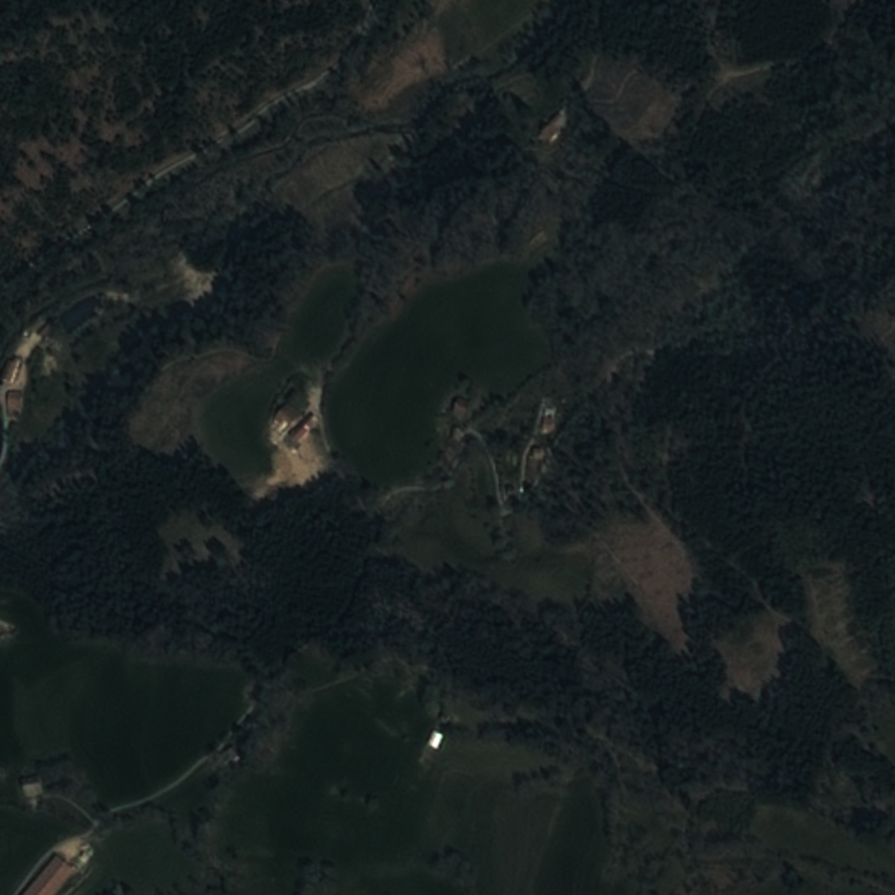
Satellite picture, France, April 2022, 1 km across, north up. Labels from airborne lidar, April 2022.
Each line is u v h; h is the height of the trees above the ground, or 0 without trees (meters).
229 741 11
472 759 0
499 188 21
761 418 20
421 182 15
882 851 0
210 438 0
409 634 28
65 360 0
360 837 0
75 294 17
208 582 26
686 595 0
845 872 7
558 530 25
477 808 0
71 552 15
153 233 24
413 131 0
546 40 26
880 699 19
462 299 0
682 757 26
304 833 0
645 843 18
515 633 12
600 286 20
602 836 0
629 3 12
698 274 16
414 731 0
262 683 13
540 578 0
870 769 30
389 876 0
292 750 0
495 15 0
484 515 0
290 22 11
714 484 14
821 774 27
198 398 0
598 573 0
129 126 7
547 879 0
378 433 0
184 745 0
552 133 0
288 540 26
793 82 9
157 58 13
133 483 31
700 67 13
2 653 0
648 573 0
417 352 0
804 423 18
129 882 0
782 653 0
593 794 0
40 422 0
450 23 0
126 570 33
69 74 8
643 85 0
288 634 16
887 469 21
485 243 25
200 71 16
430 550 0
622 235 27
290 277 28
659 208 8
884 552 16
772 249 10
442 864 18
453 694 24
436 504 19
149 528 29
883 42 22
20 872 0
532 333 0
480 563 0
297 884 0
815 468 20
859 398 20
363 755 0
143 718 0
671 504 6
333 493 24
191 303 0
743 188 8
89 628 30
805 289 13
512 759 0
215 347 8
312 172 0
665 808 25
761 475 15
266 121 7
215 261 18
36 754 0
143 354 24
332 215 0
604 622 29
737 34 11
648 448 16
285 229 19
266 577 24
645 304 21
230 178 27
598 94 0
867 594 19
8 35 9
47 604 18
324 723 0
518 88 0
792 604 18
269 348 24
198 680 0
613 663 20
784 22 13
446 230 20
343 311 0
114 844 0
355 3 11
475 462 17
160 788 0
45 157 15
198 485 30
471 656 24
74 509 26
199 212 25
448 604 17
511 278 0
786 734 22
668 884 0
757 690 0
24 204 6
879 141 9
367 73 32
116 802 0
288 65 8
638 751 23
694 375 9
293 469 0
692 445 7
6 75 10
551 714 25
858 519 13
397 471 0
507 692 26
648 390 9
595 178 18
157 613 27
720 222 15
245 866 25
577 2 30
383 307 20
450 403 0
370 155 0
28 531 16
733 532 14
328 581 24
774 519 23
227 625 28
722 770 27
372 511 10
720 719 29
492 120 31
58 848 0
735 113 6
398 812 0
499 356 0
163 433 0
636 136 0
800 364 23
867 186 10
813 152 7
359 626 29
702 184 20
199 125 8
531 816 0
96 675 0
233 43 14
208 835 25
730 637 25
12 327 20
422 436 0
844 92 18
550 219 18
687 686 25
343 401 0
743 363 9
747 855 24
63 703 0
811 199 6
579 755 23
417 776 0
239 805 0
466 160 12
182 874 0
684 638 0
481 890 0
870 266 9
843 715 29
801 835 0
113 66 8
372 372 0
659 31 15
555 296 24
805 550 16
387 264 21
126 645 23
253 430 0
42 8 12
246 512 20
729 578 14
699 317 19
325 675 0
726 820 11
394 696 0
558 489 18
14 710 0
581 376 7
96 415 25
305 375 0
